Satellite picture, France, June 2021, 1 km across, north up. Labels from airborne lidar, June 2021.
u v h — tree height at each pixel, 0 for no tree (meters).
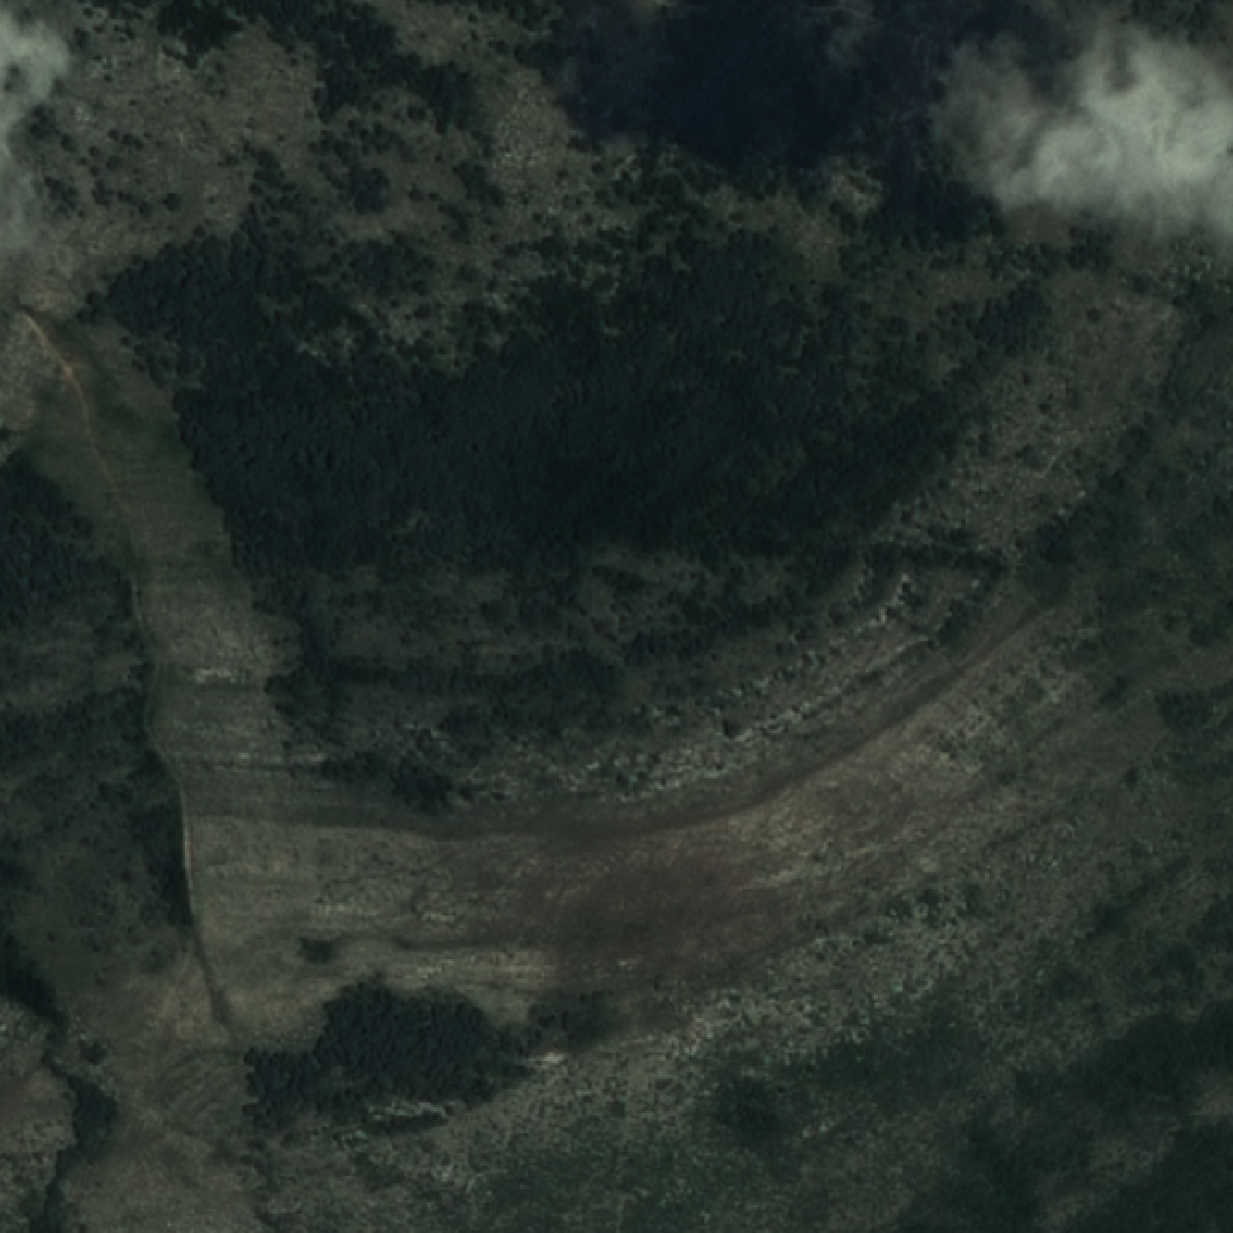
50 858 0
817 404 11
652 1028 0
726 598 7
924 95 0
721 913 0
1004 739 0
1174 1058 6
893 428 8
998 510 0
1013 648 0
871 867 0
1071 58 6
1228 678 0
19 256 0
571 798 0
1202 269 0
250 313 11
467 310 7
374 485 14
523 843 0
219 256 10
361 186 9
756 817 0
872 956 0
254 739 0
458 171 7
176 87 0
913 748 0
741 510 8
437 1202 0
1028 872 0
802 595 8
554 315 8
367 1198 0
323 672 11
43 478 9
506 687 7
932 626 0
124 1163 0
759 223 0
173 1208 0
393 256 13
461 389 10
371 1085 7
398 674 8
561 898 0
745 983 0
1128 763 0
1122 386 0
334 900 0
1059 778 0
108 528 0
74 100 0
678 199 7
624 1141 0
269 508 13
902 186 8
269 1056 6
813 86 12
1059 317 0
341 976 0
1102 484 6
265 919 0
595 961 0
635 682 0
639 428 10
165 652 0
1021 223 0
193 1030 0
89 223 0
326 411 14
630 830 0
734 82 8
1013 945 0
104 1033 0
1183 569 0
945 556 6
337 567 7
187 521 0
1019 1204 8
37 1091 0
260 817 0
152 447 0
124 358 0
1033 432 0
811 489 7
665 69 11
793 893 0
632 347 10
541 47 7
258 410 14
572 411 13
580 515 11
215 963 0
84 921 6
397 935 0
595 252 6
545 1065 0
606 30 0
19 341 0
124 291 11
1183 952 6
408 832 0
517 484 13
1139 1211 6
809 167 7
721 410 11
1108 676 0
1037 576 0
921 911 0
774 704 0
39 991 8
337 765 7
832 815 0
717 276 14
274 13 10
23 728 8
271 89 0
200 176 0
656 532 8
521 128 0
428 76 13
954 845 0
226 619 0
